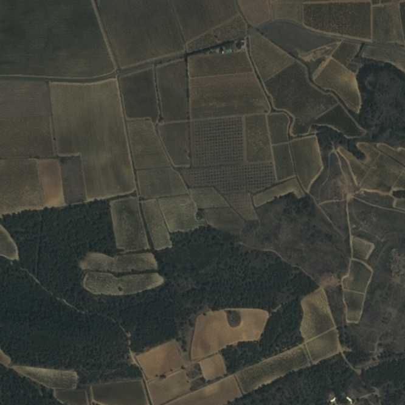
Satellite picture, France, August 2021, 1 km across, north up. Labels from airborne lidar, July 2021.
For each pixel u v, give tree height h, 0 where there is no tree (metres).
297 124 0
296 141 0
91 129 0
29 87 0
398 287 0
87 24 0
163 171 0
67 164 0
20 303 7
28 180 0
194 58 0
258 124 0
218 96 0
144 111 0
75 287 11
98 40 0
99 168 0
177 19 0
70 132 0
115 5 0
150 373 0
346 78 0
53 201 0
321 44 0
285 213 9
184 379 0
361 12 0
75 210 15
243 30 0
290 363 0
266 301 10
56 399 16
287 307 10
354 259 0
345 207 0
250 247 0
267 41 0
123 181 0
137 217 0
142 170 0
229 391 0
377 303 0
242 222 0
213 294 10
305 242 0
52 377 0
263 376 0
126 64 0
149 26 0
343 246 0
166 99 0
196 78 0
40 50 0
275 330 11
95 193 0
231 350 11
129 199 0
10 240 0
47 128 0
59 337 8
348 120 0
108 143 0
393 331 0
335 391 7
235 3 0
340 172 0
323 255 0
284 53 0
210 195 0
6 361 0
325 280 0
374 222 0
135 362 0
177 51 0
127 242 0
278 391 9
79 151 0
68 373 0
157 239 0
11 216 14
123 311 13
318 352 0
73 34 0
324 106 0
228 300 12
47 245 16
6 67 0
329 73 0
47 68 0
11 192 0
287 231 0
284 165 0
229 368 13
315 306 0
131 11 0
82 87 0
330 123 0
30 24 0
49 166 0
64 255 12
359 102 0
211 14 0
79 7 0
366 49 0
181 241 8
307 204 7
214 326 0
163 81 0
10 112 0
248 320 0
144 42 0
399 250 0
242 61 0
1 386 13
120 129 0
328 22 0
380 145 0
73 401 0
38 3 0
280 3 0
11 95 0
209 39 0
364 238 0
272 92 0
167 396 0
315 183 0
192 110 0
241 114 0
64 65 0
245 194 0
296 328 13
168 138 0
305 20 0
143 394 0
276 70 0
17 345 11
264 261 7
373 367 7
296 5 0
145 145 0
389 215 0
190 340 0
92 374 6
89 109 0
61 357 13
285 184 0
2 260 11
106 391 0
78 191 0
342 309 0
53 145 0
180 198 0
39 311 8
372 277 0
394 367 11
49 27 0
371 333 0
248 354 11
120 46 0
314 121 0
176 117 0
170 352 0
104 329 13
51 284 12
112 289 0
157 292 13
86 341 6
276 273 11
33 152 0
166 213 0
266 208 0
